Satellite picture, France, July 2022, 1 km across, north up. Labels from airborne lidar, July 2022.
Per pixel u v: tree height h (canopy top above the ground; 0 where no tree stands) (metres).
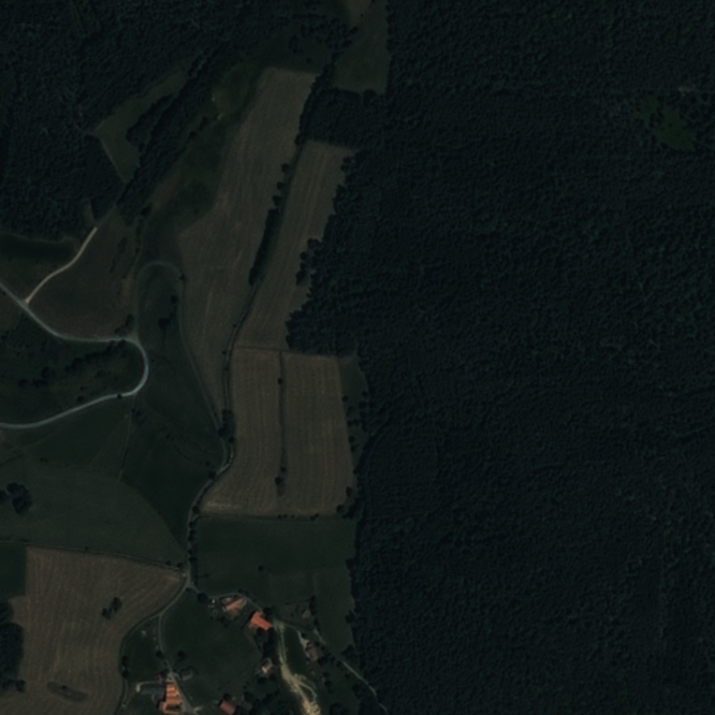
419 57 18
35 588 0
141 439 0
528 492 18
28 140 28
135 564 0
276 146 0
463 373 24
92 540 0
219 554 0
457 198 18
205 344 0
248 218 0
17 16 21
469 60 19
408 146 22
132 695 0
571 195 19
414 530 20
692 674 18
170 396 0
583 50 12
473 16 17
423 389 27
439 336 17
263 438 0
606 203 22
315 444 0
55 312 0
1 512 0
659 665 19
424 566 18
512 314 17
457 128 22
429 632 15
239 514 0
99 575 0
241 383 0
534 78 13
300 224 0
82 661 0
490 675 10
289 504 0
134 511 0
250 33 33
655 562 20
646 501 12
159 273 0
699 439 21
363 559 18
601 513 19
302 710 0
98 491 0
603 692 15
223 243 0
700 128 21
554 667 15
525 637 12
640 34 17
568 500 21
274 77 0
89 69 31
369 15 0
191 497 0
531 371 15
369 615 17
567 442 17
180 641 0
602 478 18
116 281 0
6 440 0
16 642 16
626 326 15
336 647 0
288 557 0
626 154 25
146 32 25
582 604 22
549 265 20
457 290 22
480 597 7
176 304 12
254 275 18
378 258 22
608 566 20
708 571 18
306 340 19
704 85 20
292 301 0
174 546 0
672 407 20
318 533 0
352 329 23
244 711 8
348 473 0
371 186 24
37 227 24
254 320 0
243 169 0
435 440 16
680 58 15
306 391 0
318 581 0
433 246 27
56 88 23
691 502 19
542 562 21
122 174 0
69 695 0
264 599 0
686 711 23
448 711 18
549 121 18
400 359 18
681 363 19
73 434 0
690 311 13
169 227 0
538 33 11
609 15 11
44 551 0
